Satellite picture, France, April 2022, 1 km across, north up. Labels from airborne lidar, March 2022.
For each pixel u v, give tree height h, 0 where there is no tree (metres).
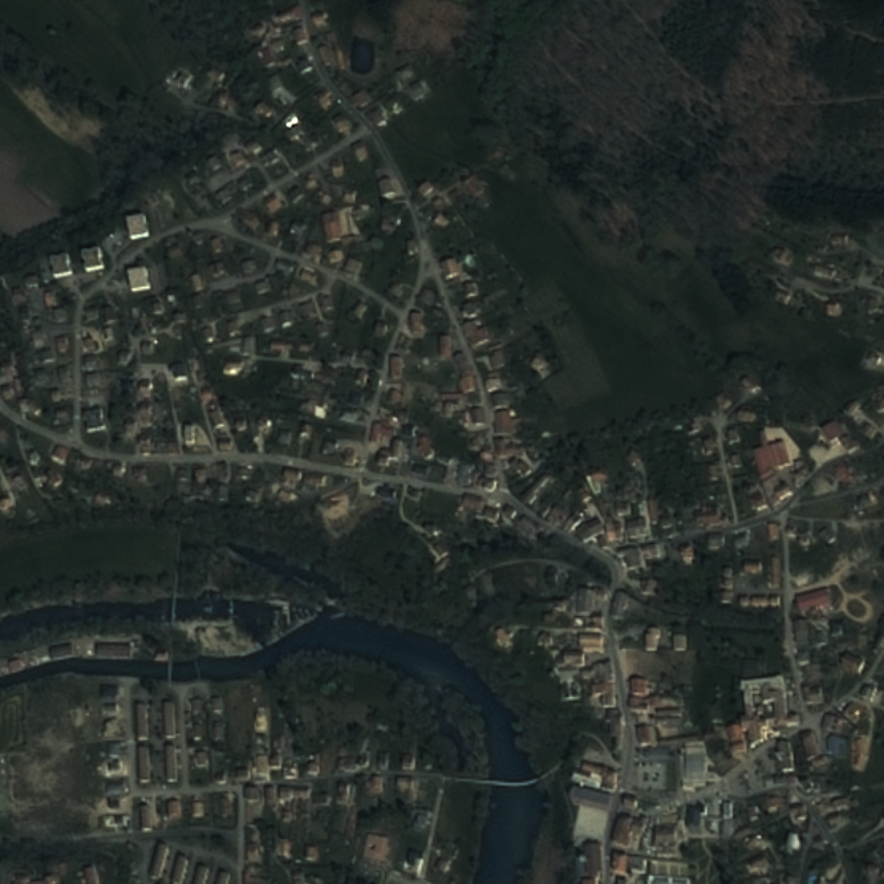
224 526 18
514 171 0
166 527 22
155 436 6
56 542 0
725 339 0
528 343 0
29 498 0
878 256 0
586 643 0
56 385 0
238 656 0
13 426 0
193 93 0
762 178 27
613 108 24
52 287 8
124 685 0
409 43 0
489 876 0
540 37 26
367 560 0
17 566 0
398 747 0
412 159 0
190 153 6
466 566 7
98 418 0
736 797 0
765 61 18
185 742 0
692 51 16
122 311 0
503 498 0
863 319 0
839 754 0
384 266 0
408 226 0
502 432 0
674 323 10
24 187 0
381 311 0
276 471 0
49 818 0
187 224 0
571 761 14
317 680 21
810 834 0
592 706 0
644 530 0
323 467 0
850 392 0
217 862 0
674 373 0
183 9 9
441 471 0
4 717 0
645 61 24
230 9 28
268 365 0
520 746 21
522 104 34
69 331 0
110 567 0
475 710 22
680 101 21
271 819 0
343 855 0
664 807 0
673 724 0
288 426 0
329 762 0
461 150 0
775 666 0
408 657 0
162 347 0
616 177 27
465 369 0
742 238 28
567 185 13
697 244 31
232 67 15
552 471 13
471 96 0
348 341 0
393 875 0
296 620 0
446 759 18
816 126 13
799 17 22
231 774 0
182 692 0
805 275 0
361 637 0
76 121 0
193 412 0
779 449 0
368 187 0
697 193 30
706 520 0
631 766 0
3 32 16
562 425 0
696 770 0
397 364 0
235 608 0
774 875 10
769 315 0
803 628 0
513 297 0
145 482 0
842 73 11
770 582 0
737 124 23
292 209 0
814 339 0
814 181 25
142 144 0
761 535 0
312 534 21
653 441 9
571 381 0
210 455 0
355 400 0
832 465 0
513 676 18
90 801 0
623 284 0
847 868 0
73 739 0
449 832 0
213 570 21
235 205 0
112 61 0
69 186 0
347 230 0
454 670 0
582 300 0
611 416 0
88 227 15
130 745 0
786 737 0
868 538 0
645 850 0
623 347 0
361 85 0
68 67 0
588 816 0
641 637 0
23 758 0
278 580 26
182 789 0
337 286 0
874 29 11
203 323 0
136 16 0
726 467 0
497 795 0
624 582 0
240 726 0
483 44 15
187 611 0
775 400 17
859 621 0
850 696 0
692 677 0
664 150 19
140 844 0
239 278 0
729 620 22
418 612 15
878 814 0
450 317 0
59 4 0
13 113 0
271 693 0
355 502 0
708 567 16
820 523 0
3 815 0
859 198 30
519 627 0
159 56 0
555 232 0
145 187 20
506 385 0
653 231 30
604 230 26
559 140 17
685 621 0
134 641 0
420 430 0
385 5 32
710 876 0
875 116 8
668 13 21
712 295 0
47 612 0
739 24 12
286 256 0
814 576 0
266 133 7
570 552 18
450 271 0
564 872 0
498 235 0
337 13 0
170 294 8
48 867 9
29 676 0
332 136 0
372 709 7
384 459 0
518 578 0
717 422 0
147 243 0
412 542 24
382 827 0
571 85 27
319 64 0
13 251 10
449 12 32
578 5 29
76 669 0
